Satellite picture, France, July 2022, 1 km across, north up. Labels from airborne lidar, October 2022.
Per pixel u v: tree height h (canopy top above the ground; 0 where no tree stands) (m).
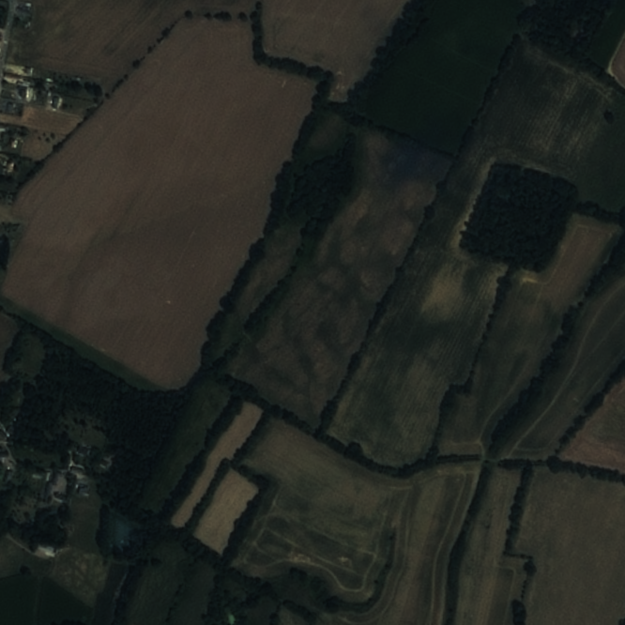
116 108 0
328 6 0
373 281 0
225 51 0
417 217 0
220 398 0
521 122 0
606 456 0
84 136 0
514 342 0
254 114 0
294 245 0
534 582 0
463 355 0
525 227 25
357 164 0
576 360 0
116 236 0
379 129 9
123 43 0
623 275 0
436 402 0
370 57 0
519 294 0
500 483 0
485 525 0
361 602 0
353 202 0
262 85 0
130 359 0
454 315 0
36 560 0
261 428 9
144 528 13
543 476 0
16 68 0
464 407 0
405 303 0
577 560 0
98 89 19
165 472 0
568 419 0
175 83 0
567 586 0
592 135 0
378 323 11
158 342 0
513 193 23
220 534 0
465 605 0
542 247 23
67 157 0
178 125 0
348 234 0
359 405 0
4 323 0
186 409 26
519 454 0
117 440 17
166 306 0
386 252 0
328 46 0
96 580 0
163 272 0
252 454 0
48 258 0
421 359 0
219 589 10
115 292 0
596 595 0
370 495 0
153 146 0
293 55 0
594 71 9
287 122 0
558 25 16
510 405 0
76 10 0
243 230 0
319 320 0
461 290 0
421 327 0
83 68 0
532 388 11
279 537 0
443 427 7
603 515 0
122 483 22
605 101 0
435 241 0
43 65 0
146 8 0
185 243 0
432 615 0
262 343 0
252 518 13
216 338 14
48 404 19
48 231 0
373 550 0
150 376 0
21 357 7
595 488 0
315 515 0
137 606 0
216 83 0
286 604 10
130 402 19
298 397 0
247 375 0
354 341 0
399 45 13
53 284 0
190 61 0
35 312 0
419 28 9
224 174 0
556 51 14
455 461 10
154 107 0
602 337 0
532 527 0
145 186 0
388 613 0
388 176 0
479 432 0
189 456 0
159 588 0
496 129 0
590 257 0
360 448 12
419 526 0
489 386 0
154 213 0
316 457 0
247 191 0
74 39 0
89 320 0
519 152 0
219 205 0
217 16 7
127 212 0
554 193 21
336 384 0
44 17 0
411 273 0
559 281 0
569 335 15
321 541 0
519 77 0
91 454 8
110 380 13
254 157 0
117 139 0
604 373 0
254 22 9
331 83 10
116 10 0
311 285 0
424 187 0
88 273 0
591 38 19
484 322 0
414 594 0
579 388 0
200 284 0
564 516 0
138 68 8
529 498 0
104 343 0
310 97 0
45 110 0
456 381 0
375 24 0
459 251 0
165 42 0
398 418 0
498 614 0
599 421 0
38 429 15
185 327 0
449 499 0
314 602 0
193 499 0
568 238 0
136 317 0
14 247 0
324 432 12
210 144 0
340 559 0
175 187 0
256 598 13
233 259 0
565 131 0
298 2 0
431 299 0
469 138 13
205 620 10
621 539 0
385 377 0
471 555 0
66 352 12
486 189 9
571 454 0
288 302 0
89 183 0
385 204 0
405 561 0
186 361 0
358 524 0
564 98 0
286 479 0
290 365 0
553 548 0
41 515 16
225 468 8
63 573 0
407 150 0
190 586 0
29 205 0
